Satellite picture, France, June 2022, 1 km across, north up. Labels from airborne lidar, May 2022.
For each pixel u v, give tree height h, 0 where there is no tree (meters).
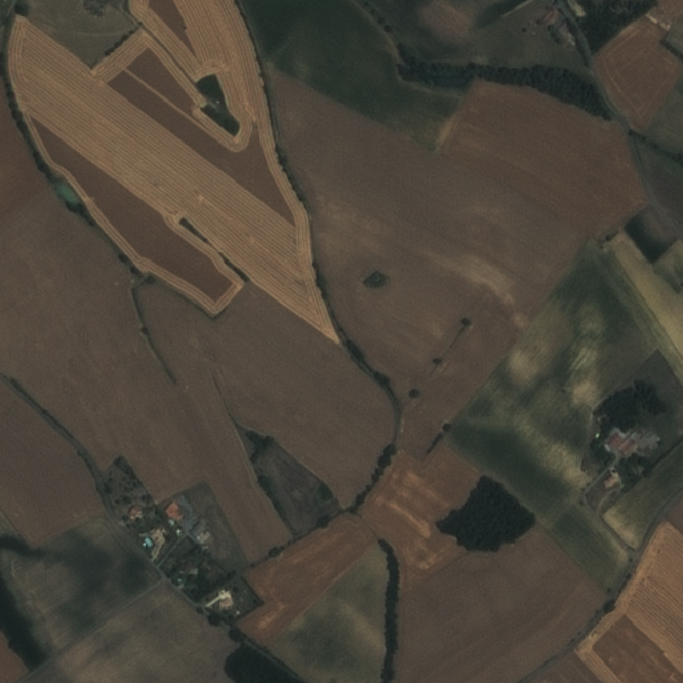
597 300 0
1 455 0
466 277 0
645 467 6
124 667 0
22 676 0
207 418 0
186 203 0
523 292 0
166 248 0
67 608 0
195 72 0
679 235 0
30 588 0
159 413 0
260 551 0
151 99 0
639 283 0
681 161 17
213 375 0
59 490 0
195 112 0
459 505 0
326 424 0
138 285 0
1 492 0
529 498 0
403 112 0
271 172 0
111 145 0
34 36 0
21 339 0
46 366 0
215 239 0
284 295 0
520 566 0
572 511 0
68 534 0
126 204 0
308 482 0
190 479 0
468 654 0
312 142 0
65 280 0
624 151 0
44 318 0
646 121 0
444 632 0
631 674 0
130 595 0
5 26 16
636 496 0
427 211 0
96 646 0
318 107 0
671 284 0
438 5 0
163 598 0
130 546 0
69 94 0
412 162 0
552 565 0
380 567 0
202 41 0
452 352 0
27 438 0
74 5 0
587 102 24
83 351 0
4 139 0
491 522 17
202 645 0
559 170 0
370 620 0
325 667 0
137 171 0
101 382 0
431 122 0
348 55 0
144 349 0
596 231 0
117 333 0
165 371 0
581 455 0
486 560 0
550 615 0
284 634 0
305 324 0
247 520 0
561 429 0
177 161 0
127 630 0
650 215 0
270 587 0
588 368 0
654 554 0
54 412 0
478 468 0
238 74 0
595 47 7
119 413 0
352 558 0
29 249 0
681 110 0
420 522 0
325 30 0
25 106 0
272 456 0
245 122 0
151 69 0
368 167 0
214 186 0
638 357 0
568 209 0
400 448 0
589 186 0
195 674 0
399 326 0
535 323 0
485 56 0
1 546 0
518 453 0
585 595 0
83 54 0
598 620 0
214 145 0
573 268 0
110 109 0
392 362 0
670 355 0
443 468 0
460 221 0
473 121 0
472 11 0
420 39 0
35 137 0
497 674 0
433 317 0
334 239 0
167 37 0
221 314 0
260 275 0
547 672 0
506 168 0
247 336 0
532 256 0
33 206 0
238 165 0
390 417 0
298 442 0
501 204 0
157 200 0
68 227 0
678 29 0
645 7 7
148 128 0
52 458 0
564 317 0
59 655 0
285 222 0
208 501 0
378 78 0
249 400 0
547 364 0
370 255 0
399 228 0
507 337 0
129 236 0
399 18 0
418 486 0
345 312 0
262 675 8
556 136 0
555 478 0
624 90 0
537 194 0
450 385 0
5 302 0
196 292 0
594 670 0
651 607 0
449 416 0
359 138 0
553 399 0
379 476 10
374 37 0
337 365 0
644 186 0
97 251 0
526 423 0
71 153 0
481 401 0
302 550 0
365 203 0
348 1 0
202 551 7
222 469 0
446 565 0
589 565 0
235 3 6
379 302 0
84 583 0
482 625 0
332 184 0
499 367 0
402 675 0
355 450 0
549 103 0
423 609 0
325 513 0
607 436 10
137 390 0
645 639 0
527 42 0
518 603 0
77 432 0
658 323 0
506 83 24
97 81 0
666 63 0
